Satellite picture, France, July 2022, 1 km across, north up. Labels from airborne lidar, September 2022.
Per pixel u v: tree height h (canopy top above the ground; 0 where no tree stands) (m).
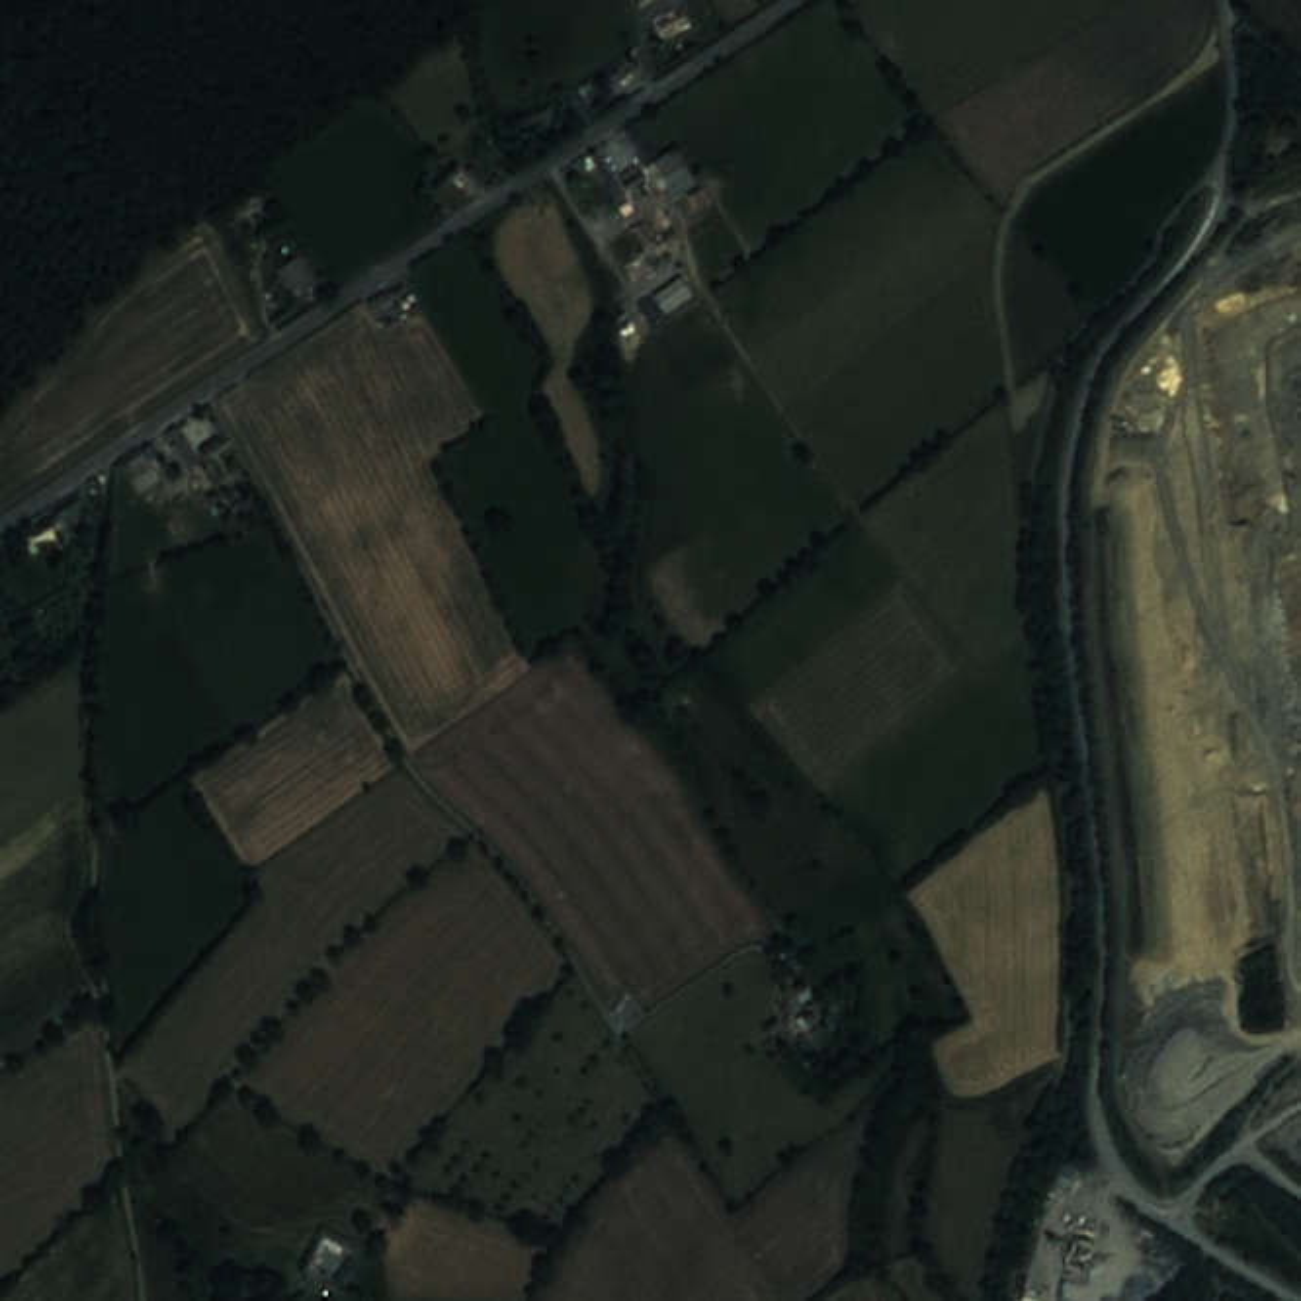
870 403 0
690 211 0
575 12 0
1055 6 0
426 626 0
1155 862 0
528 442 0
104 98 21
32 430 0
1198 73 0
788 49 0
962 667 0
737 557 0
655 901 0
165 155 25
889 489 6
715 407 0
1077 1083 8
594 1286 0
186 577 0
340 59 11
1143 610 0
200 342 0
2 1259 0
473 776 0
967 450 0
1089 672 8
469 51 10
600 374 27
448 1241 0
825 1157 0
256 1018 0
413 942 0
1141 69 0
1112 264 0
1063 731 5
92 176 23
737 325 0
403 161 0
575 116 16
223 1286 21
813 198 0
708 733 0
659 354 0
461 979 0
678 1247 0
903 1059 16
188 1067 0
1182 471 0
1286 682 0
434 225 7
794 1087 0
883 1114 19
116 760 0
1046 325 0
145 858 0
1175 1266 0
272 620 0
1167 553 0
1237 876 0
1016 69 0
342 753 0
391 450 0
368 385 0
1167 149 0
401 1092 0
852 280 0
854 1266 12
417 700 0
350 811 0
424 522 0
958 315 0
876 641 0
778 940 14
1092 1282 0
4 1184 0
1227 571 0
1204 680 0
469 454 0
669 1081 0
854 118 0
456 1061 0
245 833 0
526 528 0
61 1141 0
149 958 0
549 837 0
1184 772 0
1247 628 0
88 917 21
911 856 0
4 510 0
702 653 13
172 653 0
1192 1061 0
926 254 0
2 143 19
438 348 0
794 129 0
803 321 0
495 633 0
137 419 0
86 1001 13
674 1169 0
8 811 0
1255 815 0
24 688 9
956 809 0
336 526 0
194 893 0
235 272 0
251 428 0
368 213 0
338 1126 0
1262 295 0
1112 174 0
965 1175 0
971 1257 0
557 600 0
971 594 0
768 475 0
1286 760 0
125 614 0
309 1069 0
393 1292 0
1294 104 9
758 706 0
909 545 0
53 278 22
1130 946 0
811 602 0
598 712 0
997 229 0
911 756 0
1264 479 0
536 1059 0
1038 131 0
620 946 0
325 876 0
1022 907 0
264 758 0
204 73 11
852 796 0
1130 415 0
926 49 0
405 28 20
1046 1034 0
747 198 0
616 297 0
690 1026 0
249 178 21
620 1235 0
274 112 20
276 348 0
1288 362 0
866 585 0
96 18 21
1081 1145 11
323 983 14
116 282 10
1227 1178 9
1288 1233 7
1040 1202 8
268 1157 0
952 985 11
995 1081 0
